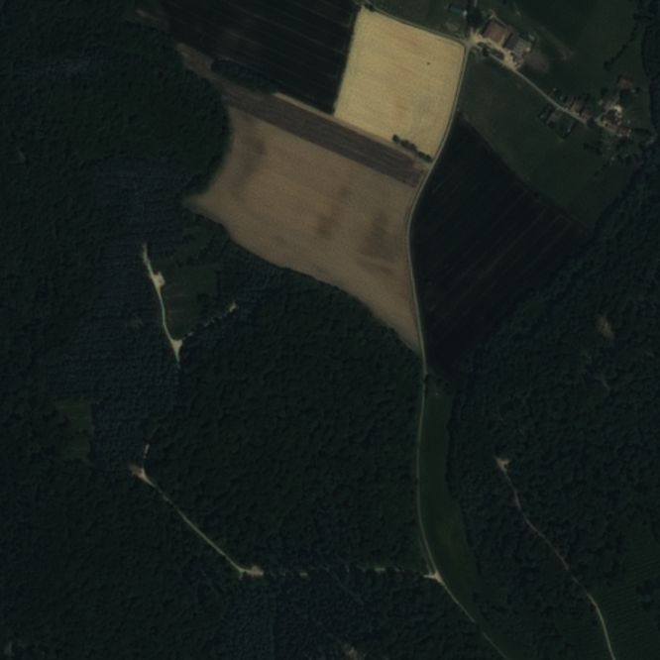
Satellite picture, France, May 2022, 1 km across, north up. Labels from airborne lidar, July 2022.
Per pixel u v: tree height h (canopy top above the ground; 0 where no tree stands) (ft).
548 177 0
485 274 0
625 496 87
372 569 58
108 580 86
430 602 72
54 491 89
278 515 67
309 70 0
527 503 41
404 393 69
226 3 0
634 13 0
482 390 85
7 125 61
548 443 67
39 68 66
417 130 0
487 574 67
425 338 0
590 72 0
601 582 87
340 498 77
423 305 0
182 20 0
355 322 67
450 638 107
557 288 47
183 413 74
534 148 0
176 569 73
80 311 64
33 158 68
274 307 92
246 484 102
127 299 61
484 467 57
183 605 70
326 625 118
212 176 38
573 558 93
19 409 96
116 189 52
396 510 82
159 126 41
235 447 94
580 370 62
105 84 47
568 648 82
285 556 119
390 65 0
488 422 41
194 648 83
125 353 67
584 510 88
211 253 43
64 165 67
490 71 0
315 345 89
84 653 58
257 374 108
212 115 47
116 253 58
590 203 0
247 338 104
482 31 0
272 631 28
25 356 89
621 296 83
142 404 83
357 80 0
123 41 91
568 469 81
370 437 83
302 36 0
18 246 42
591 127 53
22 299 71
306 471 104
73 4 71
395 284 0
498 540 64
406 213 0
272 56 0
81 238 61
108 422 78
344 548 108
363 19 0
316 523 78
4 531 83
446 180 0
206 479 92
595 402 62
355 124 0
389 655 75
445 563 0
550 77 0
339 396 91
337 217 0
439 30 0
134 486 69
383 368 87
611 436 96
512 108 0
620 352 97
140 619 71
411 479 74
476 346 0
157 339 75
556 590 73
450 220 0
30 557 91
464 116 0
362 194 0
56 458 102
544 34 0
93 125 41
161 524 86
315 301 82
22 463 87
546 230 0
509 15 0
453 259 0
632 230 91
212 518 101
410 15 0
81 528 75
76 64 73
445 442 0
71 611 84
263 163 0
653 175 95
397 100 0
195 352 91
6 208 66
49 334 86
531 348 65
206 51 0
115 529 87
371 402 82
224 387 81
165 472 93
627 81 0
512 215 0
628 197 71
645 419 80
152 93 38
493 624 72
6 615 87
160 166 60
